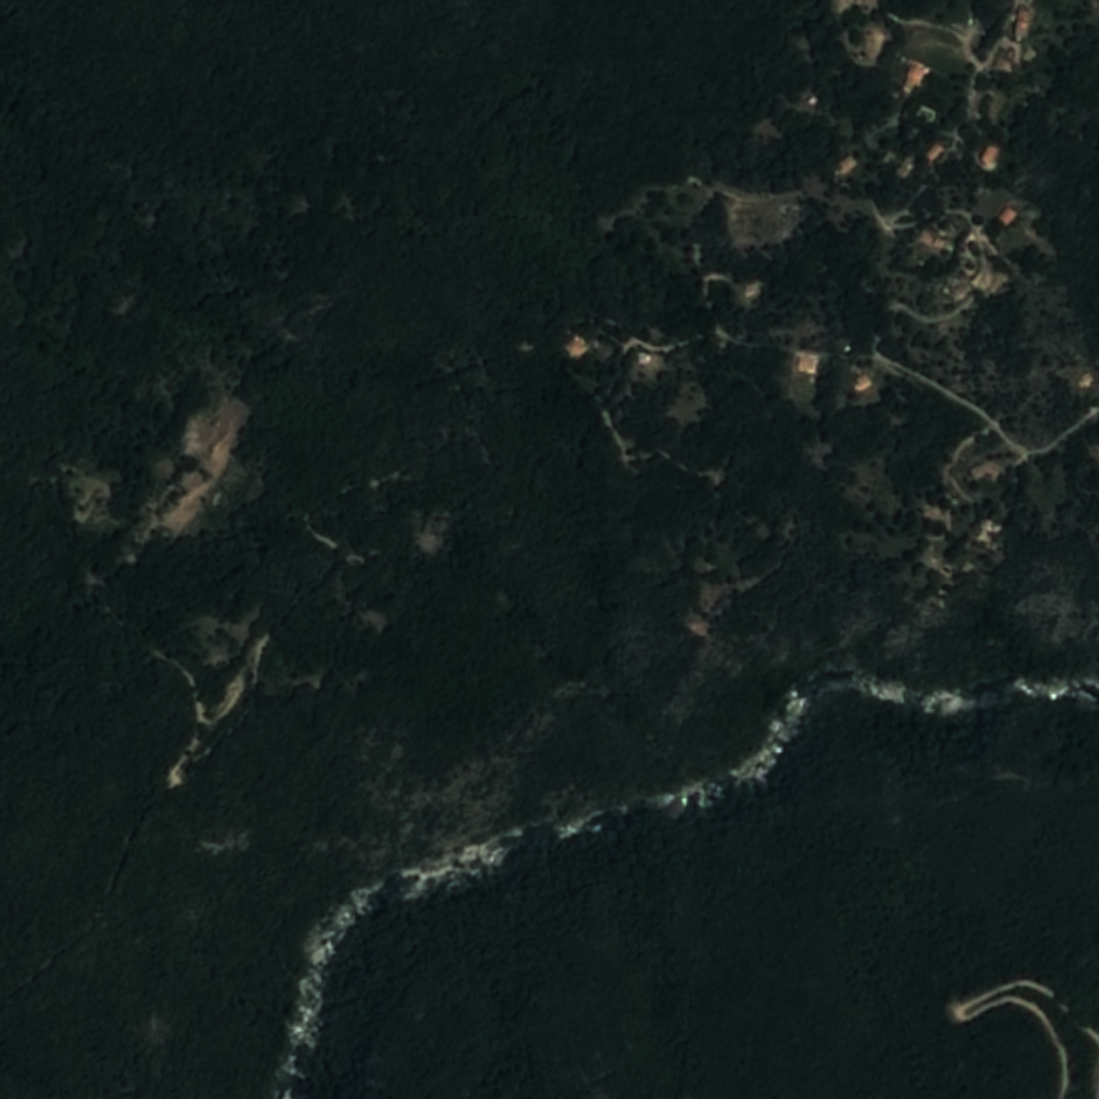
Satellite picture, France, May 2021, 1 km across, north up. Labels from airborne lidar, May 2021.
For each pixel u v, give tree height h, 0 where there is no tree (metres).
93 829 13
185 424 14
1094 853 6
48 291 14
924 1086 7
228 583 18
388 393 14
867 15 10
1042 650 17
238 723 9
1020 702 12
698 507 15
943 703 0
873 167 11
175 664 9
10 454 12
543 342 15
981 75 7
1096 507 8
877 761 7
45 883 11
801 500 10
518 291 12
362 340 12
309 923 17
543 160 13
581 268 7
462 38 14
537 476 11
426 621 14
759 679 18
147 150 11
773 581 12
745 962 6
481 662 11
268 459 9
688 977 6
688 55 9
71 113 9
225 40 10
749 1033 6
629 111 11
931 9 11
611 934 6
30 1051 16
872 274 13
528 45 14
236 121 12
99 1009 13
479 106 9
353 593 9
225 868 11
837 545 15
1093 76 10
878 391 0
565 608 9
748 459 15
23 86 8
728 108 16
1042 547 6
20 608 15
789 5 15
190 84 13
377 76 9
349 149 15
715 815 10
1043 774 7
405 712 9
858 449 12
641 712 16
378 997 15
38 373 18
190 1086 15
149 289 11
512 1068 14
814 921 8
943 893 9
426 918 12
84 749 12
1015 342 11
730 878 7
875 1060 7
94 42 11
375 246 15
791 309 13
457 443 12
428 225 11
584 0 11
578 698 7
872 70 7
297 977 15
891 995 7
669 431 15
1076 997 9
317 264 15
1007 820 7
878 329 13
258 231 14
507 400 12
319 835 10
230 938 17
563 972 7
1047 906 7
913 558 16
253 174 8
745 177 18
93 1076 14
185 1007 10
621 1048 6
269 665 8
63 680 9
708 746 13
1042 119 12
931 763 16
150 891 16
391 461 9
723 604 8
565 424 20
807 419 15
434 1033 6
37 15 7
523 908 7
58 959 11
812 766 8
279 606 14
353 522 11
